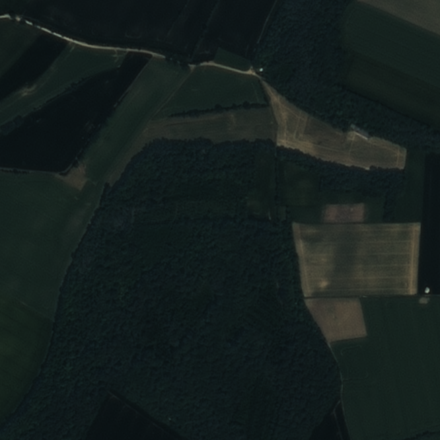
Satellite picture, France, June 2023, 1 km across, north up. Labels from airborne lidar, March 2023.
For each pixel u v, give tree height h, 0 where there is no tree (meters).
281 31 13
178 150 14
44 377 20
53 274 0
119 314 17
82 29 0
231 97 0
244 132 0
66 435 21
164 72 0
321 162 18
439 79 0
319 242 0
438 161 0
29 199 0
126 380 23
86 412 19
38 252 0
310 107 16
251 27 0
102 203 8
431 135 16
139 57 0
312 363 20
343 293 0
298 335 20
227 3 0
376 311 0
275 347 9
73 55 0
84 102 0
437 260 0
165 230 6
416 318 0
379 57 0
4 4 0
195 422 18
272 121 0
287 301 19
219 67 0
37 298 0
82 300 12
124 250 15
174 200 7
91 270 13
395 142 7
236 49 0
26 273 0
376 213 0
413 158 0
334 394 15
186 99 0
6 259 0
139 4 0
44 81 0
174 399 21
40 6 0
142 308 20
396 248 0
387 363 0
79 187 0
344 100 12
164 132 0
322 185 9
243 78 0
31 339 0
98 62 0
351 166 0
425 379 0
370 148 0
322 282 0
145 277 20
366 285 0
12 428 18
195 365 24
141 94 0
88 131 0
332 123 15
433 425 0
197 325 13
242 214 12
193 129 0
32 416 18
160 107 0
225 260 21
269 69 7
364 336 0
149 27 0
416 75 0
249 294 23
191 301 8
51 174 0
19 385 0
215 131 0
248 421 9
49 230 0
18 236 0
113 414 0
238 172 15
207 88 0
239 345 25
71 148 0
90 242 19
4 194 0
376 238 0
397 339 0
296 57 18
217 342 26
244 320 21
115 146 0
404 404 0
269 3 0
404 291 0
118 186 15
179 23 0
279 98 0
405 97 0
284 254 23
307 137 0
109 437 0
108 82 0
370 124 11
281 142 0
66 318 12
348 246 0
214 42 0
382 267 0
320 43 21
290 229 9
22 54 0
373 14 0
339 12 13
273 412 11
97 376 13
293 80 18
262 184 0
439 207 0
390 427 0
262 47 16
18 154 0
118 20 0
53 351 15
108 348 23
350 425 0
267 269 15
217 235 22
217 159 20
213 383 24
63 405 18
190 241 11
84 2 0
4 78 0
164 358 10
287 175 0
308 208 0
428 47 0
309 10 16
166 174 20
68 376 17
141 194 20
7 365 0
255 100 0
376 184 17
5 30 0
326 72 19
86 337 13
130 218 14
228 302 22
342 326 0
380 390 0
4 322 0
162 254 7
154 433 0
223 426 22
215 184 9
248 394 10
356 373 0
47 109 0
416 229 0
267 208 0
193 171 15
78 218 0
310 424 16
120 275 18
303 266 0
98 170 0
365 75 0
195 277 12
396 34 0
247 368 22
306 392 22
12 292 0
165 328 22
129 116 0
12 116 0
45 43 0
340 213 0
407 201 0
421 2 0
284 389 23
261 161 0
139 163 18
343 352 0
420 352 0
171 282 18
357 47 0
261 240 24
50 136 0
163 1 0
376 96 0
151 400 18
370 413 0
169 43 0
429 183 0
